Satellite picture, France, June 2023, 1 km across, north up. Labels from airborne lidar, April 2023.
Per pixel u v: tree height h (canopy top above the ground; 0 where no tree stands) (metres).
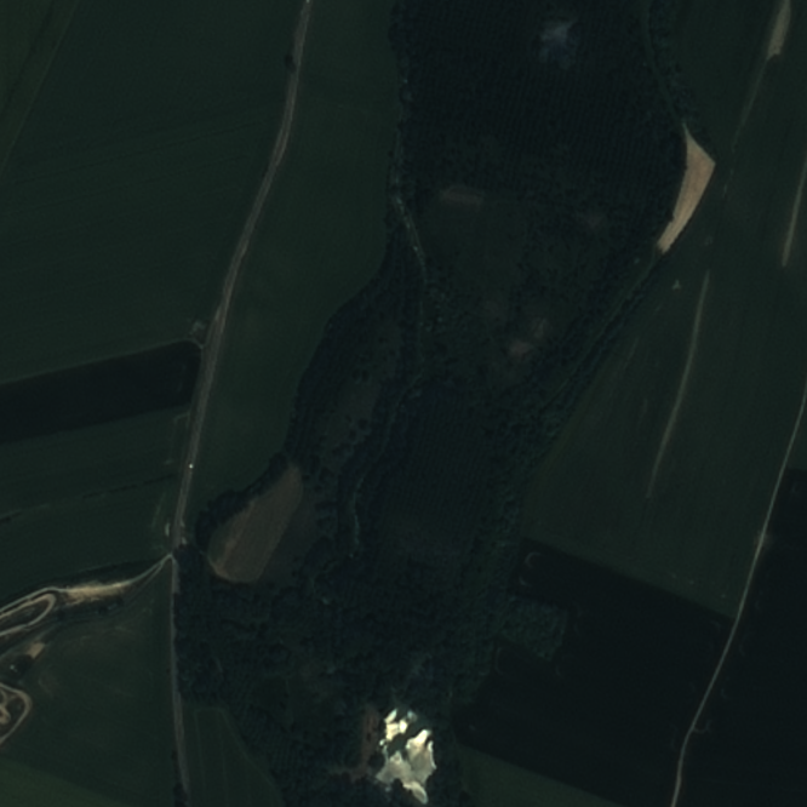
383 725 6
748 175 0
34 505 0
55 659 0
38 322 0
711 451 0
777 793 0
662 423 0
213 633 24
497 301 0
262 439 0
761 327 0
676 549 0
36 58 0
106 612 11
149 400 0
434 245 0
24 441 0
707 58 0
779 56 0
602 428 0
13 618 0
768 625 0
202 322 0
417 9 23
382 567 31
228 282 0
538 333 0
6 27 0
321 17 0
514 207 0
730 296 0
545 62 20
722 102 0
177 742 0
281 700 0
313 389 21
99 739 0
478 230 0
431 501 33
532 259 0
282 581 0
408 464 30
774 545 0
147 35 0
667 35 20
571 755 0
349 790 21
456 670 12
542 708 0
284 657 13
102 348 0
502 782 0
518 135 14
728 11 0
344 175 0
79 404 0
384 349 0
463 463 33
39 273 0
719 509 0
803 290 0
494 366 0
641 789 0
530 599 16
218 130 0
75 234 0
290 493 0
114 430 0
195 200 0
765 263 0
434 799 10
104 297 0
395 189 13
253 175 0
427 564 29
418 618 25
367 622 12
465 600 11
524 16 23
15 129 0
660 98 8
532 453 6
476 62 16
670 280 0
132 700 0
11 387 0
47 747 0
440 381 11
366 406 0
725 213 0
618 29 22
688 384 0
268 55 0
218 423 0
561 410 12
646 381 0
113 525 0
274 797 0
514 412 8
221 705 0
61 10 0
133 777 0
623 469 0
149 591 0
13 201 0
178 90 0
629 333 0
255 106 0
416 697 6
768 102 0
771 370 0
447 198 0
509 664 0
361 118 0
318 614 20
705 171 0
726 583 0
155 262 0
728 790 0
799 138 0
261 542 0
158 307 0
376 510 32
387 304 16
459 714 0
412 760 0
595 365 8
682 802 0
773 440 0
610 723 0
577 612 0
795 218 0
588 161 15
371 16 0
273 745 23
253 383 0
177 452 0
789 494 0
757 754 0
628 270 8
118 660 0
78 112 0
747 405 0
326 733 0
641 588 0
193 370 0
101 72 0
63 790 0
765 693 0
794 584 0
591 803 0
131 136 0
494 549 8
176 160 0
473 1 27
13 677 0
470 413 28
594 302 13
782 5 0
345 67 0
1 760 0
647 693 0
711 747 0
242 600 19
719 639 0
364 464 21
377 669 15
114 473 0
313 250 0
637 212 12
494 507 13
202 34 0
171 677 0
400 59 13
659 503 0
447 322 7
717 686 0
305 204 0
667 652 0
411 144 17
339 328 21
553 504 0
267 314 0
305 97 0
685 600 0
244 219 0
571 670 0
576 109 18
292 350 0
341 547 19
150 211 0
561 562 0
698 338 0
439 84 21
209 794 0
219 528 0
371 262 0
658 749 0
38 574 0
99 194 0
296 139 0
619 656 0
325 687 0
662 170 7
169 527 0
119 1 0
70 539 0
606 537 0
